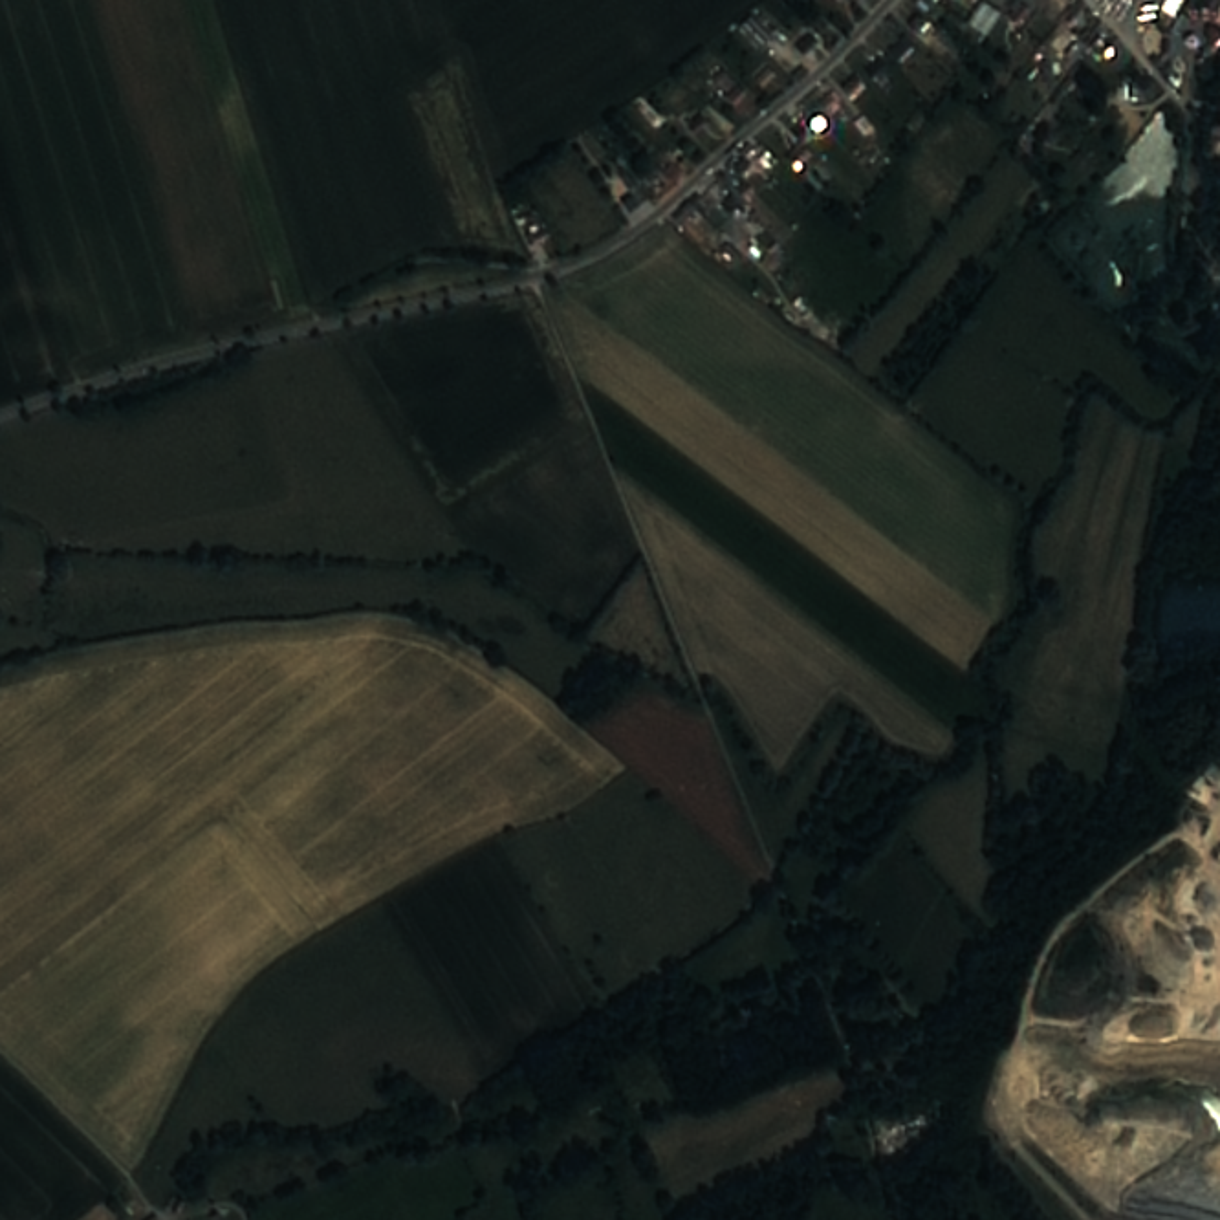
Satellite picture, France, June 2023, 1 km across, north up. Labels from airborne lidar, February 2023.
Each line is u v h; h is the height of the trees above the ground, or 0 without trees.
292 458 0
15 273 0
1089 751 0
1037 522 9
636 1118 33
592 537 0
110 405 6
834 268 0
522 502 0
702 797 0
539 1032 0
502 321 0
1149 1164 0
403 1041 0
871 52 0
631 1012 20
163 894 0
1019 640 11
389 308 0
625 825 0
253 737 0
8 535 0
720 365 0
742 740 6
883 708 0
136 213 0
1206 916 0
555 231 0
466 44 0
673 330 0
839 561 0
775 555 0
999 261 0
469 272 0
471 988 0
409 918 0
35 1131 0
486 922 0
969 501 0
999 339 0
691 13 0
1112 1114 0
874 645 0
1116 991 0
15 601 0
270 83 0
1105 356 0
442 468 0
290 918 0
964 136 0
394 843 0
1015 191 0
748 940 0
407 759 0
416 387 0
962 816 0
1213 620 0
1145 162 0
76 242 0
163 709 0
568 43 0
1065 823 15
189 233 0
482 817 0
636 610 0
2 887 0
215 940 0
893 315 0
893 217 0
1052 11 0
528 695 0
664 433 0
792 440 0
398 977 0
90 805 0
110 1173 0
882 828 19
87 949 0
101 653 0
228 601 0
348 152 0
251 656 0
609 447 0
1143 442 0
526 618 0
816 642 0
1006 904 13
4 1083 0
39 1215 0
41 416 0
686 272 0
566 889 0
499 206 0
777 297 0
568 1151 0
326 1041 0
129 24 0
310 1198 0
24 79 0
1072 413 7
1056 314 0
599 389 0
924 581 0
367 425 0
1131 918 0
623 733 0
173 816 0
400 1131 6
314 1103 0
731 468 0
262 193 0
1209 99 9
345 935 0
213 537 0
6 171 0
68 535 0
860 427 0
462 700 0
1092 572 0
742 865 0
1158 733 23
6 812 0
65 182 0
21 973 0
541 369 0
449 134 0
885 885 0
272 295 0
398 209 0
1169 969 0
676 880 0
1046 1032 0
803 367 0
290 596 0
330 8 0
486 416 0
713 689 9
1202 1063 0
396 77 0
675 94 0
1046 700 0
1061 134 0
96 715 0
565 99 0
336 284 0
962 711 0
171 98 0
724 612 0
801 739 0
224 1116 0
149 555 9
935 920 0
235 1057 0
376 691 0
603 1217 0
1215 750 23
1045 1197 0
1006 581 0
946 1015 22
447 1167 0
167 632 0
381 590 0
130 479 0
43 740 0
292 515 0
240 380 0
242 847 0
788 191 0
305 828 0
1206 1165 0
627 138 13
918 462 0
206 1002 0
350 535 0
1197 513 18
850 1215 0
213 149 0
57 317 0
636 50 0
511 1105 0
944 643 0
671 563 0
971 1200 20
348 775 0
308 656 0
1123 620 0
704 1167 0
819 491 0
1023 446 0
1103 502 0
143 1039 0
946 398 0
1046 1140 0
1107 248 0
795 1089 0
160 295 0
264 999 0
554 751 0
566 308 0
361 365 0
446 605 0
